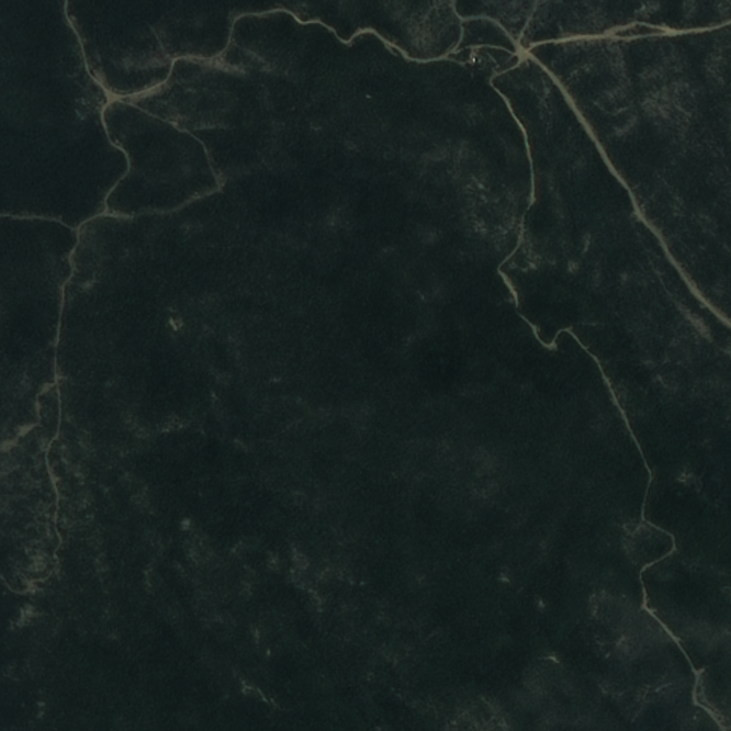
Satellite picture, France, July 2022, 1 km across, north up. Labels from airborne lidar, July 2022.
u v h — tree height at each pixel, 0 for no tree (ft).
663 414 33
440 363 28
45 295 20
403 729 18
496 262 18
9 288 17
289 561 24
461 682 18
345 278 19
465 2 19
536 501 20
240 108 19
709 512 21
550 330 24
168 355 21
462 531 17
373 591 17
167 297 22
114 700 19
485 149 20
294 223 26
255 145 18
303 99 19
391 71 18
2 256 17
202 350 23
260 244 18
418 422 19
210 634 20
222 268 23
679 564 20
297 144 20
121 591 19
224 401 18
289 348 19
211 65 0
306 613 29
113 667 20
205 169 19
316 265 23
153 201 22
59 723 17
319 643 25
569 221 23
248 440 18
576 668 24
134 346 22
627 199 18
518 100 19
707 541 19
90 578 17
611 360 25
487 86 20
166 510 21
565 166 20
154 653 19
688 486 19
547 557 22
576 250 22
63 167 17
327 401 21
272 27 18
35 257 18
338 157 20
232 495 29
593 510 21
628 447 22
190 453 24
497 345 20
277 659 22
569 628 23
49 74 18
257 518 23
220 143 21
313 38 19
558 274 26
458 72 21
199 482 18
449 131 19
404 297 19
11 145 20
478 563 22
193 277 22
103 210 0
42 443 0
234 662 19
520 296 23
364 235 23
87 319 20
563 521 25
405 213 18
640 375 26
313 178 17
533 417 17
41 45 21
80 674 18
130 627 24
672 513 17
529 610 26
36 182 20
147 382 23
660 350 18
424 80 19
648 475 20
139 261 19
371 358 20
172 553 25
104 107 0
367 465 17
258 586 22
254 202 23
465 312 20
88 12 18
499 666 31
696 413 20
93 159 20
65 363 18
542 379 22
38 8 20
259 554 22
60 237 18
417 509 20
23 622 0
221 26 18
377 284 18
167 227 18
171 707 17
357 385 20
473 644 18
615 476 21
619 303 22
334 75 19
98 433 18
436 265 18
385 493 22
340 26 18
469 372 24
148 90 0
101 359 18
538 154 17
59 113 18
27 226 17
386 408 19
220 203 21
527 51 0
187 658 19
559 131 19
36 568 0
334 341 21
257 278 22
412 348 26
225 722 19
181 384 20
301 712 19
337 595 26
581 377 19
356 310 18
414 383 19
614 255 20
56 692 21
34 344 19
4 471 0
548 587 20
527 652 18
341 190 26
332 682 18
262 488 22
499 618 20
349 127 21
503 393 21
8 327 20
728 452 21
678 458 18
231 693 18
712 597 19
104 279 17
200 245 19
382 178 20
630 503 21
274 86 24
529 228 22
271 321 18
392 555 17
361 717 31
